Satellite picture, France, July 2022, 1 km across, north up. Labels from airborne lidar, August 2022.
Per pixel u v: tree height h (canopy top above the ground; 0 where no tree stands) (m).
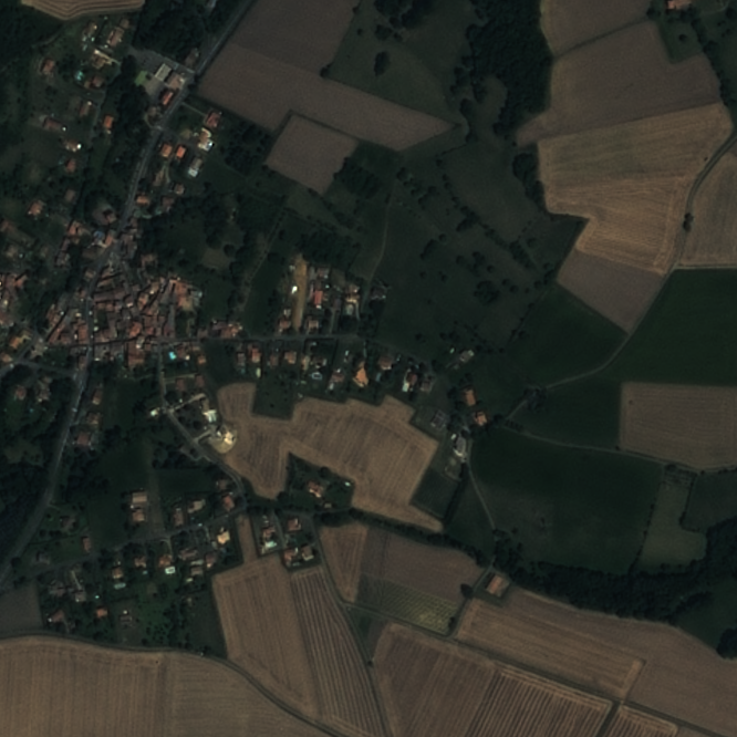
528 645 0
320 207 0
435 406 0
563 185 0
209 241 12
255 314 0
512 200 0
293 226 0
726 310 0
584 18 0
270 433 0
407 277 0
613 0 0
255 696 0
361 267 0
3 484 16
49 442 16
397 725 0
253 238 12
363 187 7
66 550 0
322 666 0
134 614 0
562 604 0
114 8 0
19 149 0
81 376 0
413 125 0
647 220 0
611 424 0
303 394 0
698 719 0
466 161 0
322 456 0
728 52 0
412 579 0
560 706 0
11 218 0
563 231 0
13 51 12
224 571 0
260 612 0
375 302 9
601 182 0
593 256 0
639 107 0
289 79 0
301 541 0
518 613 0
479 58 16
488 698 0
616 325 0
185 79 0
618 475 0
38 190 6
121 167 14
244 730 0
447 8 0
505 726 0
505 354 7
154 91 0
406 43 0
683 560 0
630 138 0
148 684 0
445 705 0
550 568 13
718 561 25
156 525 0
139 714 0
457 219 0
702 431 0
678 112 0
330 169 0
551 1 0
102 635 10
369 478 0
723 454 0
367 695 0
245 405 0
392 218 0
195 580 6
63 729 0
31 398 12
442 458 0
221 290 0
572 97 0
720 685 0
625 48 0
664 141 0
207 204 6
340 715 0
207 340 9
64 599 8
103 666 0
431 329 0
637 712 0
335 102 0
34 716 0
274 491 0
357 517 12
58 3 0
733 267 0
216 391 0
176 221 15
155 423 9
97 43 6
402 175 8
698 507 0
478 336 9
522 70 12
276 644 0
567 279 0
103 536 0
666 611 6
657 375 0
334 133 0
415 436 0
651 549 0
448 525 6
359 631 0
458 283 0
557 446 0
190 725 0
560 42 0
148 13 16
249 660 0
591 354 0
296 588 0
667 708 0
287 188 0
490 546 0
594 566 0
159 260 6
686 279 0
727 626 0
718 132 0
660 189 0
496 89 0
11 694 0
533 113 10
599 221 0
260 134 9
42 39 9
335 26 0
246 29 0
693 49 0
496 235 7
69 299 0
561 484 0
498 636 0
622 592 24
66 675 0
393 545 0
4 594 8
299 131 0
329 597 0
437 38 0
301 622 0
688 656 0
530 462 0
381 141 0
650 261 0
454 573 0
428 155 0
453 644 0
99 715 0
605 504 0
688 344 0
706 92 0
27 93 5
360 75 0
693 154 0
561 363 0
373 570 0
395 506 0
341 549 0
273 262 12
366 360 7
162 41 7
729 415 0
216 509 11
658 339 0
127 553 8
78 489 20
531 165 6
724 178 0
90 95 0
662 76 0
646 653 0
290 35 0
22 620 0
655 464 0
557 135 0
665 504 0
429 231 0
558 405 0
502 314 0
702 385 0
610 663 0
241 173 13
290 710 0
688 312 0
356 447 0
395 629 0
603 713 0
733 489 0
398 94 0
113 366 15
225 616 0
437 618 0
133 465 0
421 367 10
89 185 14
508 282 8
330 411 0
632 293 0
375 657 0
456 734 0
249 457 0
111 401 0
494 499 0
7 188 12
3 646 0
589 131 0
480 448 0
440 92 0
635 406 0
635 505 0
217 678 0
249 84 0
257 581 0
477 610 0
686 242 0
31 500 15
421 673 0
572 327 0
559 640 0
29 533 0
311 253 10
